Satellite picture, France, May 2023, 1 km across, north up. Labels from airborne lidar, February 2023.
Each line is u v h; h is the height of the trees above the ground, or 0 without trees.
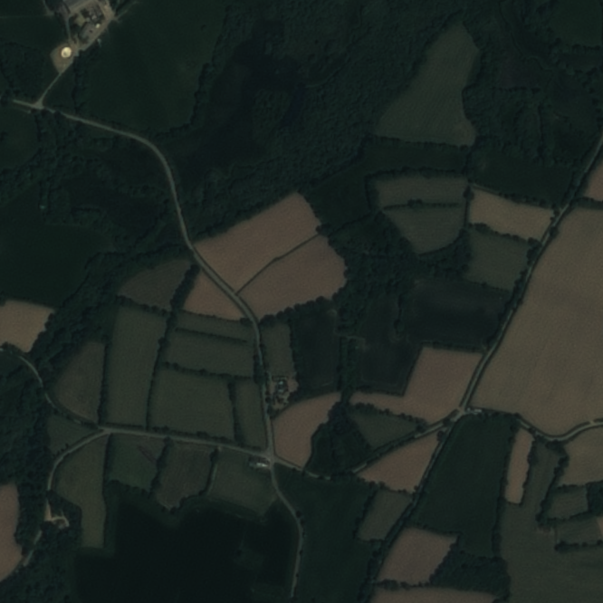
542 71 0
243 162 0
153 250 0
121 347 0
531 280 0
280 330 0
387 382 0
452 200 0
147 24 0
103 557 0
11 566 0
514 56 0
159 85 0
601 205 10
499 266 0
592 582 0
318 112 9
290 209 0
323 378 0
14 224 0
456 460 0
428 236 0
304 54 0
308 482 0
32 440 15
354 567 0
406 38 8
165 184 0
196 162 0
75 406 0
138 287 0
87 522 0
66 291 0
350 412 16
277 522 0
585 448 0
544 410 0
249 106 0
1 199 12
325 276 0
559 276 0
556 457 0
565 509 0
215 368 0
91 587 0
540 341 0
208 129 0
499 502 10
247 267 0
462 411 0
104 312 8
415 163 0
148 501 11
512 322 0
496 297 0
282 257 0
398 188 0
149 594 0
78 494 0
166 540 0
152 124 0
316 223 0
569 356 0
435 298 0
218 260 0
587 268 0
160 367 6
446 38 0
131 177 0
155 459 0
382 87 9
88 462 0
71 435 0
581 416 0
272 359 0
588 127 0
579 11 0
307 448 0
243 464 0
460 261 11
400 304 13
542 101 13
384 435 0
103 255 8
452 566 16
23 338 0
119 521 0
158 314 12
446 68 0
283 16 9
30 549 16
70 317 7
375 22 7
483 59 13
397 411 0
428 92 0
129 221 0
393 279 8
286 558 0
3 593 13
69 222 16
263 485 0
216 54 8
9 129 0
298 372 9
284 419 0
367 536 0
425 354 0
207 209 9
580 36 0
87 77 16
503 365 0
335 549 0
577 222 0
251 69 0
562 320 0
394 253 11
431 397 0
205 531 0
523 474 0
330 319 0
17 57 13
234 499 0
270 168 11
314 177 10
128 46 0
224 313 0
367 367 0
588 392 0
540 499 0
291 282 0
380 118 7
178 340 0
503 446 0
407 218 0
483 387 0
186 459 0
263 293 0
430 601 0
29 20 0
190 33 0
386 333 0
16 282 0
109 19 0
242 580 0
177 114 0
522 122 9
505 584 19
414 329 0
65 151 8
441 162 0
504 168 0
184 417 0
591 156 7
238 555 12
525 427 0
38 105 0
